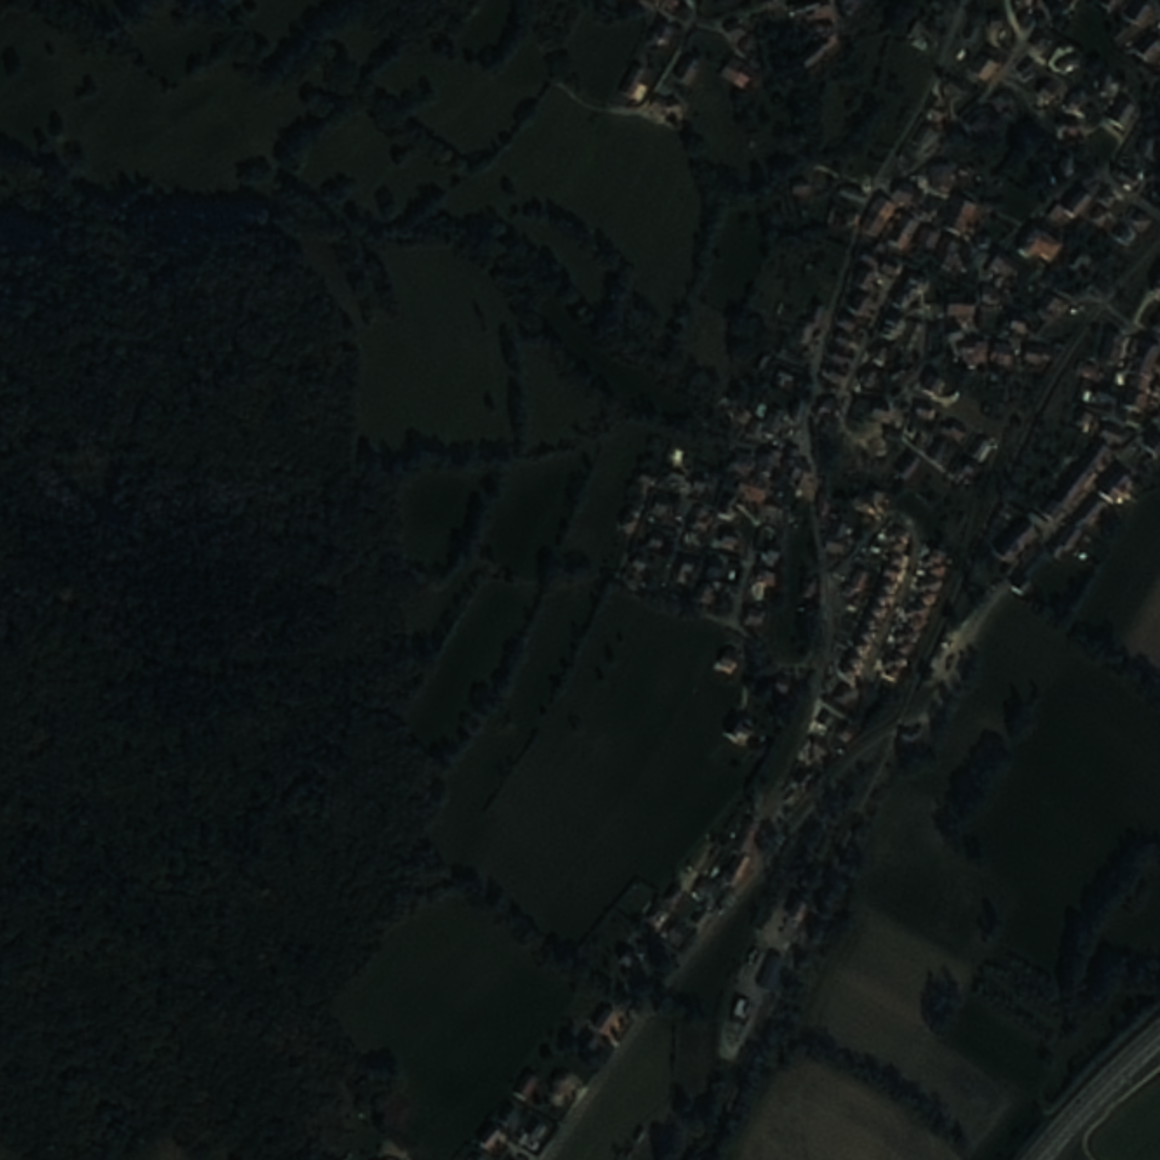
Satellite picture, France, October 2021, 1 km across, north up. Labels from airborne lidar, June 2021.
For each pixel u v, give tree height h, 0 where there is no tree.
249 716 20
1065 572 0
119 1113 28
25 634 21
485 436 0
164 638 24
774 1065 8
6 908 23
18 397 23
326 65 18
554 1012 0
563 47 9
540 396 0
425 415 0
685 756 0
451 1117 0
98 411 21
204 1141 17
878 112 18
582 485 11
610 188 0
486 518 16
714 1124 16
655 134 0
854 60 18
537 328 19
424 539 0
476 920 0
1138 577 0
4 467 24
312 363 13
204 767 24
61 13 27
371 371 0
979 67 0
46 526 27
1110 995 14
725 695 0
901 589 0
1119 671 18
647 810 0
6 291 25
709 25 0
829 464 22
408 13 17
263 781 27
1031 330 6
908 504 0
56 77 0
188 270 22
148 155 0
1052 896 0
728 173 0
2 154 18
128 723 23
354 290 16
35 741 18
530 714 0
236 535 24
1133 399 0
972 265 14
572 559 0
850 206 6
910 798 0
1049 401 0
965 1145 16
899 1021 0
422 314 0
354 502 23
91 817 25
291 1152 18
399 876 17
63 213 21
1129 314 0
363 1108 16
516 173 0
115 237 21
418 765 18
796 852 11
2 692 21
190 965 27
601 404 11
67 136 14
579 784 0
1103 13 7
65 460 20
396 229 17
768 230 15
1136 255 0
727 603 8
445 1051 0
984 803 22
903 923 0
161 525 23
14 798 15
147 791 24
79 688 18
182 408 20
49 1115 24
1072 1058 0
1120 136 0
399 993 0
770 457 0
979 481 9
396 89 0
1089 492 0
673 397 0
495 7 0
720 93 0
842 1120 0
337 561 19
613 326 19
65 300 23
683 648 0
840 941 17
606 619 0
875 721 9
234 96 0
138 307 18
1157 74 7
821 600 6
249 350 19
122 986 22
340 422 19
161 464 21
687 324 9
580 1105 0
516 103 0
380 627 16
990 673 0
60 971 21
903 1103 21
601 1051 6
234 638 24
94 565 24
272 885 18
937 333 7
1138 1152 0
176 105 0
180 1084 17
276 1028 21
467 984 0
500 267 13
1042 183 16
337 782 16
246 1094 18
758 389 6
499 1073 0
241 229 23
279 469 19
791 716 19
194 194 0
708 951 0
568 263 0
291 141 12
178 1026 17
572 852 0
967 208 0
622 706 0
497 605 0
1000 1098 0
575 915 0
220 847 22
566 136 0
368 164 0
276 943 23
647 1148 0
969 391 0
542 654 0
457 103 0
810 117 17
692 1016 19
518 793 0
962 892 0
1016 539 0
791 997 15
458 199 0
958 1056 0
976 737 0
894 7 14
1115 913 9
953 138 16
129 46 19
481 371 0
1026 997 6
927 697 0
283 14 0
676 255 0
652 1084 0
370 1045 0
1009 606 0
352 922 21
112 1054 20
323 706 20
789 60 29
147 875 21
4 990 19
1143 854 16
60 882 25
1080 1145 0
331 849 16
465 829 0
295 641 21
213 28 21
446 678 0
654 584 12
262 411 16
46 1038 20
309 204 22
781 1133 0
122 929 26
